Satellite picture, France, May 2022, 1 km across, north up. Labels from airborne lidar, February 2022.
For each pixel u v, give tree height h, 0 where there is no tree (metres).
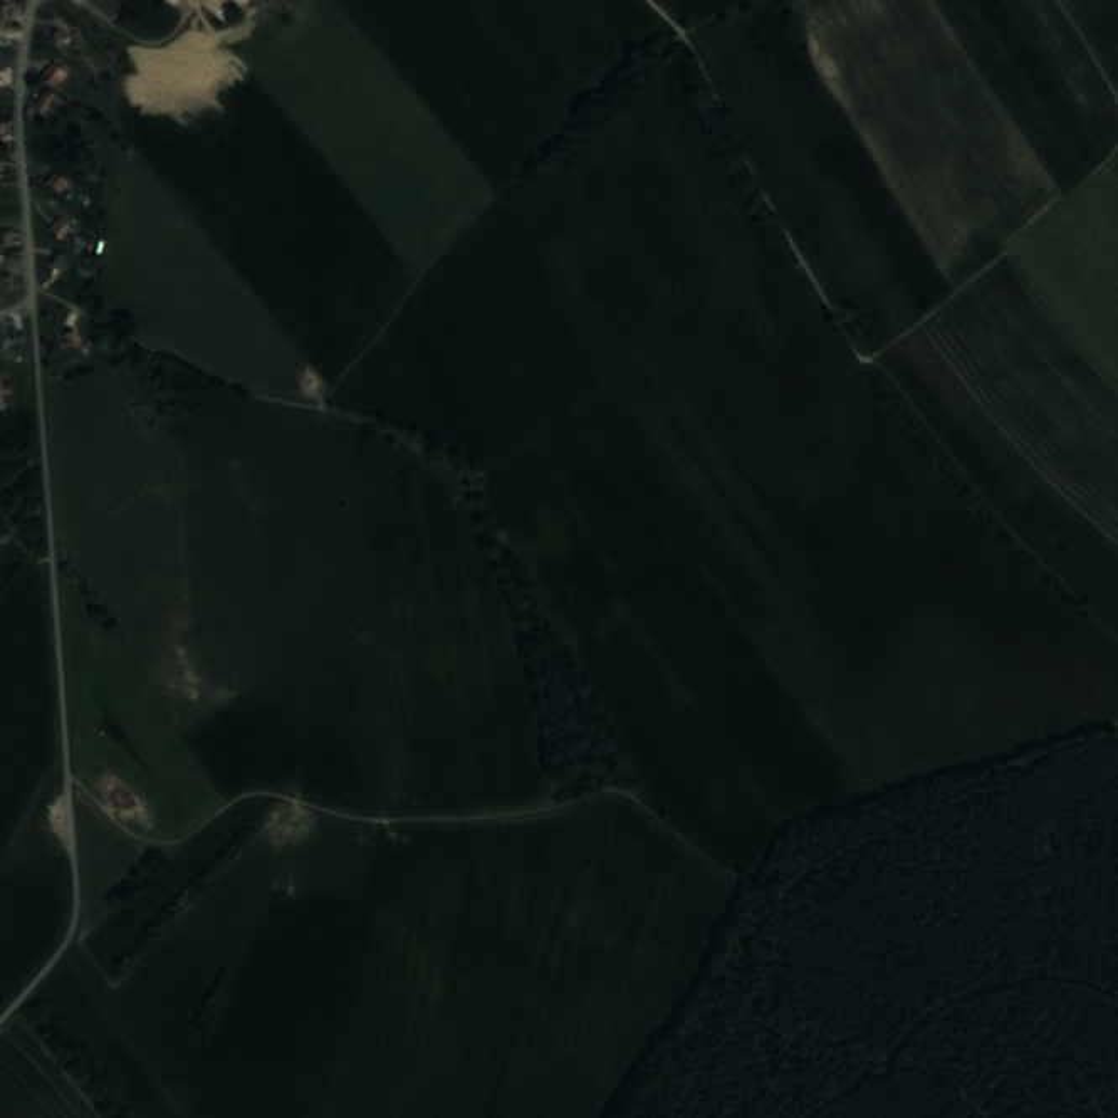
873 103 0
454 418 0
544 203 0
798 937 18
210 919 0
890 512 0
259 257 0
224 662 0
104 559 0
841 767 0
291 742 0
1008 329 0
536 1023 0
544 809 0
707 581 0
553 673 20
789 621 0
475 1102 0
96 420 0
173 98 0
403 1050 0
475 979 0
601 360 0
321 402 0
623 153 0
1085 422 0
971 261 0
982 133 0
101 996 0
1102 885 19
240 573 0
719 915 0
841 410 0
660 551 0
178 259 0
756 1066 22
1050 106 0
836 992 18
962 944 22
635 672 0
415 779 0
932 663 0
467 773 0
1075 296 0
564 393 0
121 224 0
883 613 0
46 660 0
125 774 0
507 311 0
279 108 0
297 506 0
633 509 0
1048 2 0
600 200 0
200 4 0
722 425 0
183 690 0
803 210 0
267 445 0
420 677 0
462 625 0
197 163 0
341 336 0
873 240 0
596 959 0
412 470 0
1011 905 21
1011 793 24
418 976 0
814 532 0
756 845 0
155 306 0
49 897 0
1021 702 0
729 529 0
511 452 0
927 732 0
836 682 0
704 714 0
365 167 0
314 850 0
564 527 0
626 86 19
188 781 0
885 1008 19
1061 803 22
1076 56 0
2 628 0
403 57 0
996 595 0
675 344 0
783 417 0
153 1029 0
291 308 0
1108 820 19
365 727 0
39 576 0
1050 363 0
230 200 0
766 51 11
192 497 0
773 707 0
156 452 0
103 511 0
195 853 0
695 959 0
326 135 0
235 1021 0
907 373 0
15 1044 0
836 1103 18
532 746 0
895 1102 19
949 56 0
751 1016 24
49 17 0
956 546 0
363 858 0
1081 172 0
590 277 0
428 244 0
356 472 0
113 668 0
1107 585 0
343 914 0
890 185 0
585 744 19
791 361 0
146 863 12
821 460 0
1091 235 0
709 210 0
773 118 0
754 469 0
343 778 0
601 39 0
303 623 0
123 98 0
